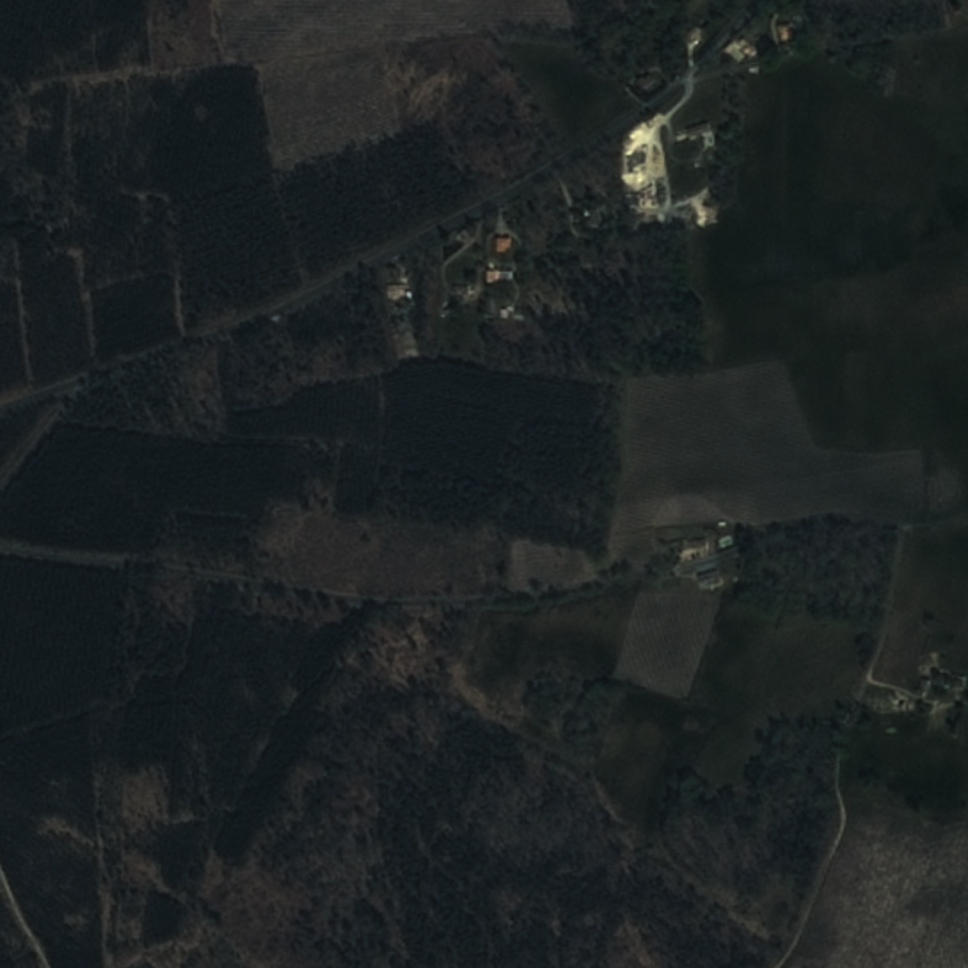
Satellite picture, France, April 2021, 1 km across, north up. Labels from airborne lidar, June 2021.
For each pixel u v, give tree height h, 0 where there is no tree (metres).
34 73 9
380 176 16
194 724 13
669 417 0
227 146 9
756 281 0
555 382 10
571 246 16
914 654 0
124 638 18
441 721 12
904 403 0
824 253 0
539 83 0
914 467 0
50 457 11
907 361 0
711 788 15
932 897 0
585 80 0
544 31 13
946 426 0
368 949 18
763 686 0
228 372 9
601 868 8
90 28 10
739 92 10
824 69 0
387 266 6
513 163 11
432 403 8
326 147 0
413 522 11
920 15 16
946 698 15
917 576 0
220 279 16
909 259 0
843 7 15
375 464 8
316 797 7
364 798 9
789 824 14
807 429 0
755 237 0
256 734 12
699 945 13
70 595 10
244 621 13
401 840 19
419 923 19
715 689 0
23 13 11
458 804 17
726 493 0
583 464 17
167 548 15
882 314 0
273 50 0
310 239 19
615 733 0
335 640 13
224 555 14
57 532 10
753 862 12
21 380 11
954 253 0
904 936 0
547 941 11
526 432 11
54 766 10
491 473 10
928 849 0
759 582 14
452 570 0
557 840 12
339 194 17
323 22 0
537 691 16
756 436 0
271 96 0
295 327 10
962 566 0
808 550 13
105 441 11
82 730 10
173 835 9
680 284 17
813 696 0
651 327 12
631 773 0
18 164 10
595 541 15
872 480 0
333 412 9
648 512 0
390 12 0
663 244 17
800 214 0
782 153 0
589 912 13
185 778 8
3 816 8
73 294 8
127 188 7
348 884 10
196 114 10
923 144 0
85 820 8
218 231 17
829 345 0
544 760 16
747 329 0
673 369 22
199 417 22
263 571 15
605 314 21
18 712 10
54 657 9
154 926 9
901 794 13
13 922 8
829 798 26
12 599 9
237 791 11
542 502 15
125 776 9
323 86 0
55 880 7
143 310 8
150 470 9
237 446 10
